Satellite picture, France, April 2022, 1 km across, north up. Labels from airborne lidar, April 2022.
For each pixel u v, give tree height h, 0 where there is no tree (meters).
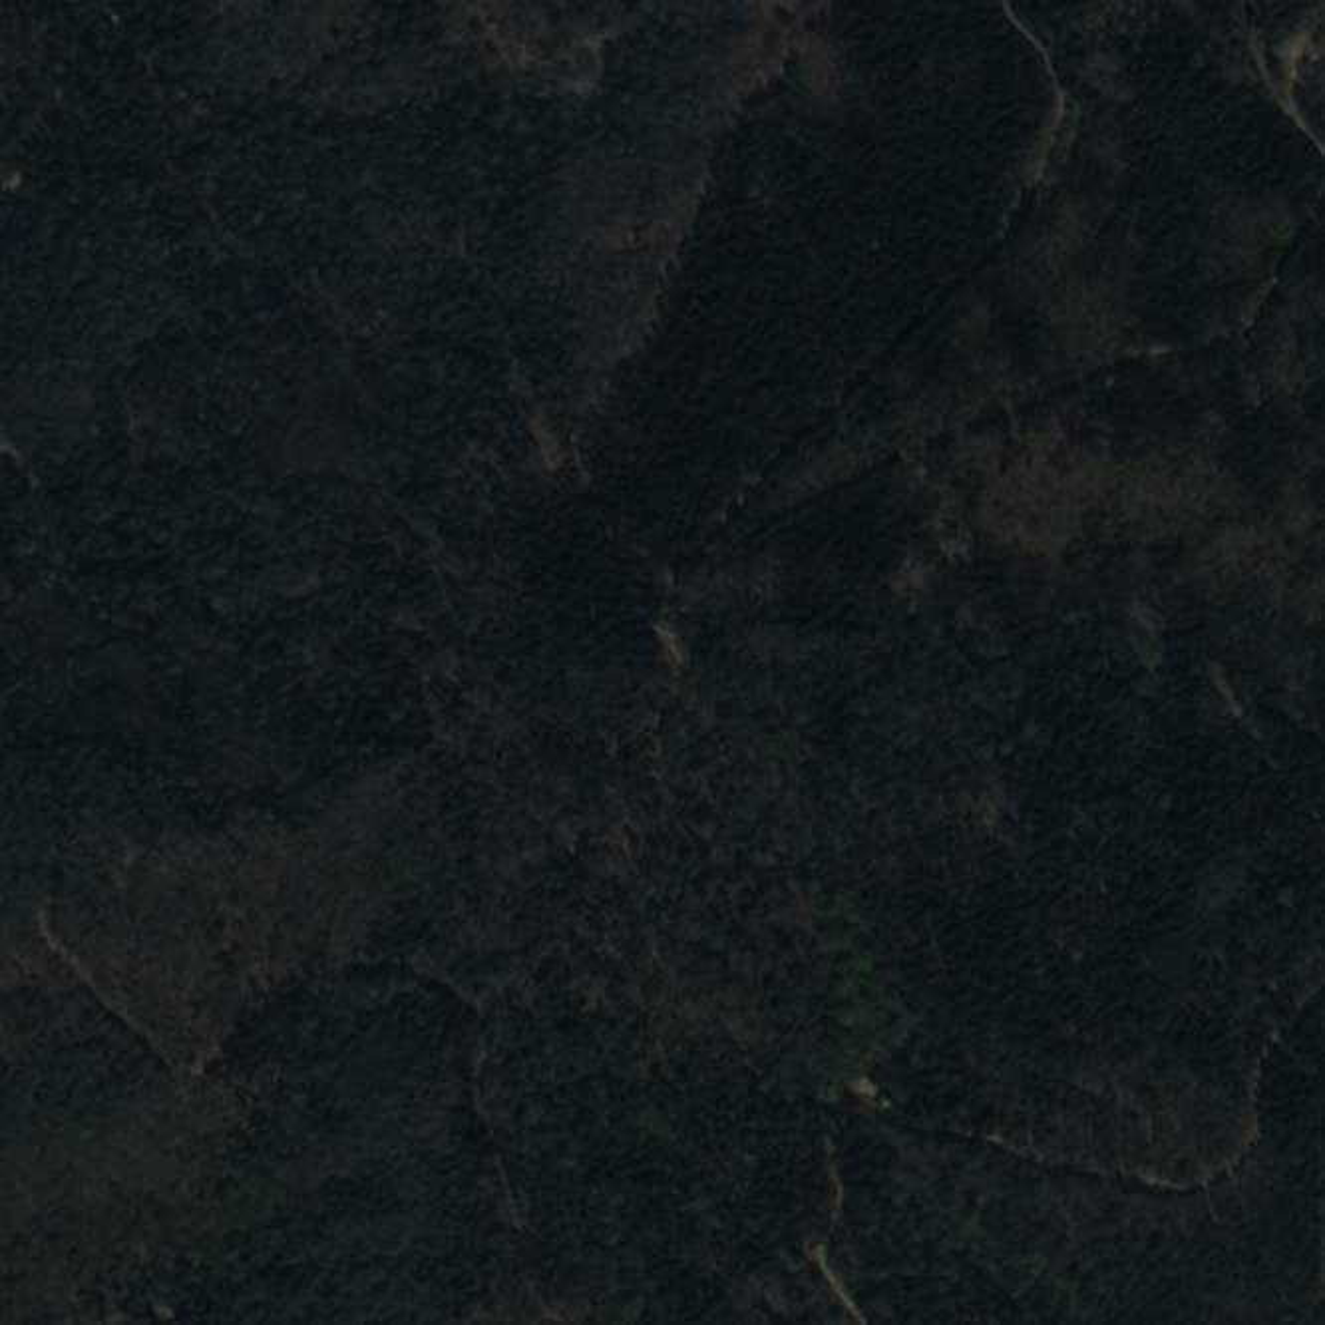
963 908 18
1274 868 22
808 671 29
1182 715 27
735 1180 29
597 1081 23
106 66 30
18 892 19
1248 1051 18
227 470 19
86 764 19
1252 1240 21
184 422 13
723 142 18
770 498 28
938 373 22
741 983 25
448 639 13
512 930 18
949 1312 22
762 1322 23
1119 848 21
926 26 28
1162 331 20
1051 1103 18
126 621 18
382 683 16
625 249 9
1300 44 0
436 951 19
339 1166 17
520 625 24
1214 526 21
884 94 19
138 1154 16
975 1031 23
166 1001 20
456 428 17
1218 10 29
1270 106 19
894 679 27
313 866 18
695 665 17
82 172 27
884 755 19
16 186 0
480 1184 16
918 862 17
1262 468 19
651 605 24
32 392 21
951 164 28
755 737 22
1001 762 21
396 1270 22
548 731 24
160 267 18
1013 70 25
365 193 19
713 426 28
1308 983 18
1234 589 21
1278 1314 20
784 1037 31
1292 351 21
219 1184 23
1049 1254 28
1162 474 23
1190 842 24
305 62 20
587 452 20
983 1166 27
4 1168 15
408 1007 14
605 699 26
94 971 20
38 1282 21
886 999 14
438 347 26
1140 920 21
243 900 22
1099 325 22
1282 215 18
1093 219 21
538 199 21
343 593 17
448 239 19
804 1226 34
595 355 17
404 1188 18
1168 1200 20
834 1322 28
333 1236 23
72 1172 18
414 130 22
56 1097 22
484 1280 13
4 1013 22
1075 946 17
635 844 20
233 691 20
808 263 24
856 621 31
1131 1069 14
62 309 25
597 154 17
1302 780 29
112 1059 22
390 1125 17
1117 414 22
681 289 20
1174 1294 21
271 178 19
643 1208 23
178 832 17
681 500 26
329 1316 21
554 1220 18
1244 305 19
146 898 19
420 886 18
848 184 24
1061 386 21
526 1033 28
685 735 24
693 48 14
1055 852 20
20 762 24
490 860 19
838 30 18
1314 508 20
